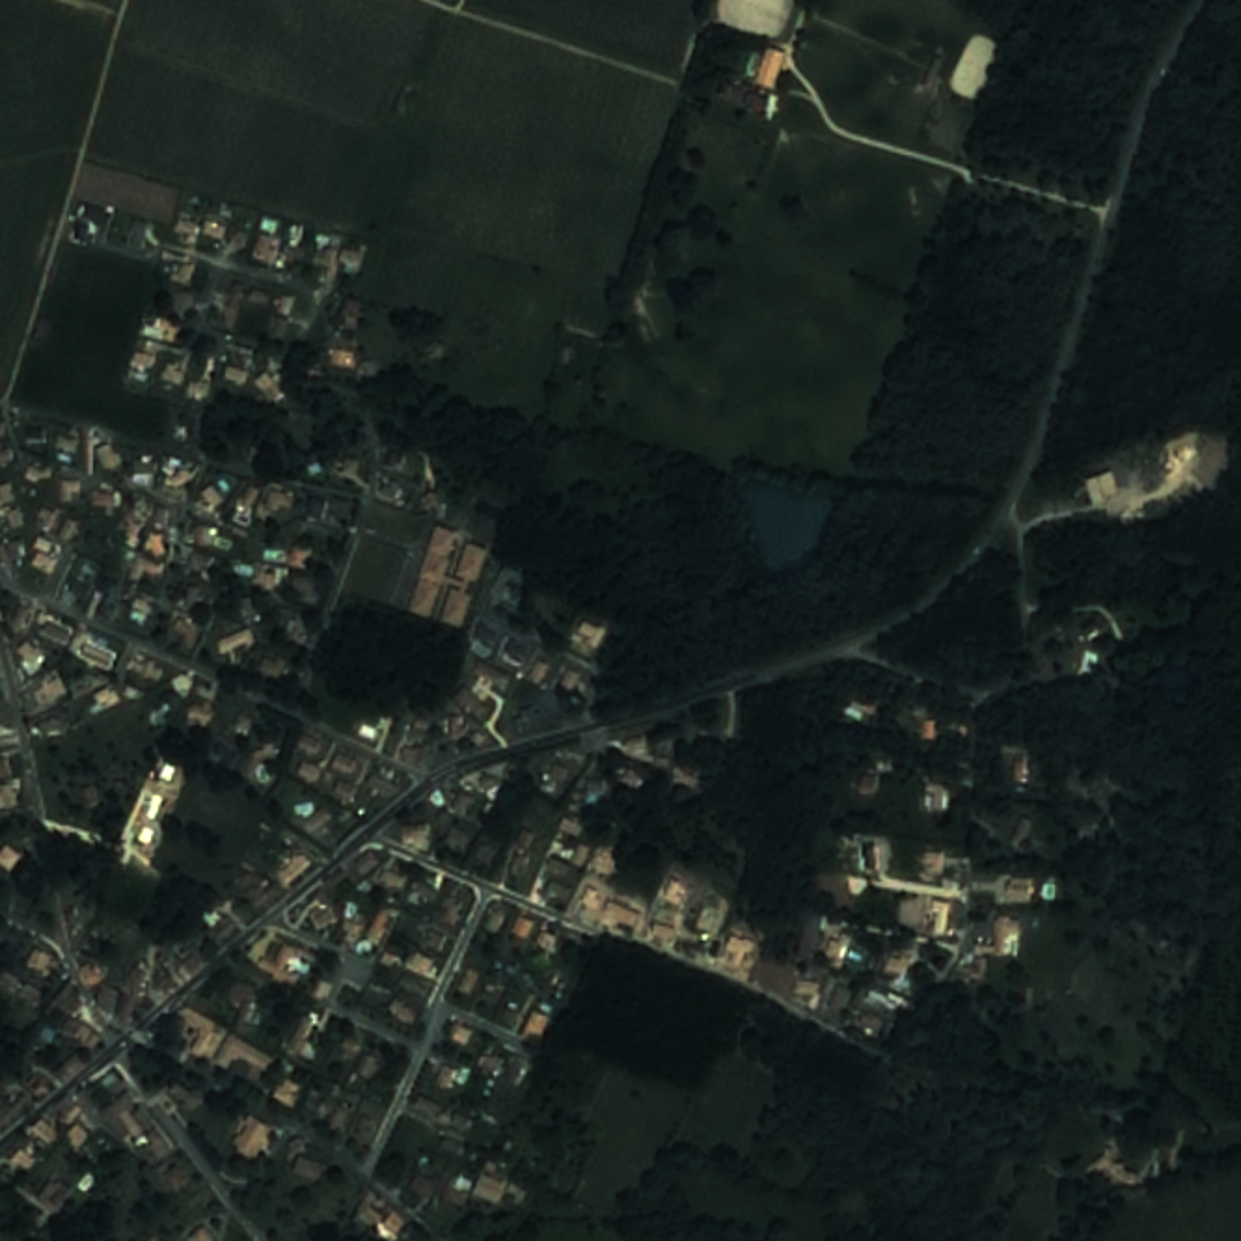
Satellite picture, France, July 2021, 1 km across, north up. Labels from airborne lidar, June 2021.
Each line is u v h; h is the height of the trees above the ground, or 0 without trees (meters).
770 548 0
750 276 0
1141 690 20
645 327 0
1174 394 13
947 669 16
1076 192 16
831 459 0
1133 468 0
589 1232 5
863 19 0
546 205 0
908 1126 17
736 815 16
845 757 15
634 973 11
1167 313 13
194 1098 0
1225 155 20
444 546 0
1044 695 16
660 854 19
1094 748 14
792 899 18
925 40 0
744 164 0
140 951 0
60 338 0
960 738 8
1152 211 15
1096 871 22
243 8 0
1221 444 0
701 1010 11
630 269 14
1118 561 24
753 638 23
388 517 0
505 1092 0
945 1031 24
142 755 0
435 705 12
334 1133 11
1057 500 0
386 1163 11
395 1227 0
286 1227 9
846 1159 16
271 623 7
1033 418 23
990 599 18
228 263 0
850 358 0
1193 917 31
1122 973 17
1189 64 14
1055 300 18
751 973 0
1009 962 0
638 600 30
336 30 0
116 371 0
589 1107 0
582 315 0
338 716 0
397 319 17
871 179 0
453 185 0
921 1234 13
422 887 0
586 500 12
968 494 22
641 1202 8
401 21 0
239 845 0
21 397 0
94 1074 0
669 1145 6
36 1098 6
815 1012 0
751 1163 10
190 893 14
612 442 11
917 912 0
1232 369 24
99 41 0
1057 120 16
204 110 0
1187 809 24
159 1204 16
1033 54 14
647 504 11
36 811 0
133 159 0
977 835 15
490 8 0
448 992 0
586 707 28
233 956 7
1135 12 17
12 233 0
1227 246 19
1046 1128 19
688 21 0
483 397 0
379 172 0
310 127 0
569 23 0
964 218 15
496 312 0
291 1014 13
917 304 19
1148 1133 22
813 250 0
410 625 13
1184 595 12
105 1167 7
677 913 0
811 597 27
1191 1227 0
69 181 0
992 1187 17
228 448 13
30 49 0
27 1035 8
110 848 20
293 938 0
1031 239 21
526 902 0
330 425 13
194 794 0
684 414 0
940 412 18
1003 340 21
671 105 0
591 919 0
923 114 0
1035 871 16
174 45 0
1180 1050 18
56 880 16
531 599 18
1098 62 19
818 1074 19
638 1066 16
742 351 0
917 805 0
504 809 17
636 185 0
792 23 0
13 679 0
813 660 0
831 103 0
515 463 32
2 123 0
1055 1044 16
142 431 0
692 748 20
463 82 0
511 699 0
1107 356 11
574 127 0
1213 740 24
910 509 32
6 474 0
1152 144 15
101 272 0
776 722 12
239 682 19
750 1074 0
